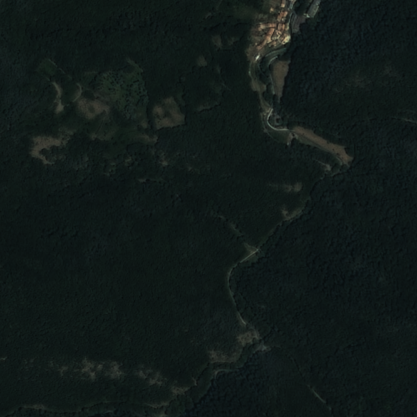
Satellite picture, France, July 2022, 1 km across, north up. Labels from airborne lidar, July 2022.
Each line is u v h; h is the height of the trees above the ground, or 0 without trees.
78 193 26
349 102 17
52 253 26
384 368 18
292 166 17
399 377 16
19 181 27
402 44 12
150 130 12
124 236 23
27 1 23
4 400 22
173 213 25
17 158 30
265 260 25
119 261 20
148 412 25
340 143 16
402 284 21
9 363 17
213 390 20
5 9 16
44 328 23
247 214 23
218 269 20
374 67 17
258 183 12
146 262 27
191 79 20
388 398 20
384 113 7
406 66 16
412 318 14
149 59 23
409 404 20
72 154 13
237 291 14
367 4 19
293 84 22
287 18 9
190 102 17
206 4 24
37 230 25
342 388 15
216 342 13
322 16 10
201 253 18
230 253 27
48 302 24
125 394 31
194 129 19
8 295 25
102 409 25
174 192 33
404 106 22
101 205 25
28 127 10
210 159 18
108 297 19
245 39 17
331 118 20
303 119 21
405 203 15
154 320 16
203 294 17
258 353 15
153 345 22
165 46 18
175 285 18
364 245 14
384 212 17
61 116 7
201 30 23
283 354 14
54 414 23
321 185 30
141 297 20
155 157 7
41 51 22
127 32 30
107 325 17
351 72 10
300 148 25
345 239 15
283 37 0
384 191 15
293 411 8
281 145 15
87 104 0
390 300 16
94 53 23
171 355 21
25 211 24
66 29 13
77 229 25
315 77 19
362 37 14
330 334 21
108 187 29
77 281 15
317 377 21
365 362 14
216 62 22
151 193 22
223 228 22
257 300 14
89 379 6
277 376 9
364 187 23
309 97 23
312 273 23
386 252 15
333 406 27
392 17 25
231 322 21
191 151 15
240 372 11
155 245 19
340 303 14
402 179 21
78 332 22
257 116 8
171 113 0
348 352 19
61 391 18
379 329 12
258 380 14
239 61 24
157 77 23
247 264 16
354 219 18
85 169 14
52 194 31
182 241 23
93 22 26
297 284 17
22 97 22
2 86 18
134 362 15
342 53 10
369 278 13
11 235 28
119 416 15
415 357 15
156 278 24
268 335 15
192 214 27
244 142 21
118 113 14
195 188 17
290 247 24
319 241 25
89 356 15
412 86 15
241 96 22
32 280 19
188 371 30
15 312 24
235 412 23
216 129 20
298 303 22
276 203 13
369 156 19
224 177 7
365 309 11
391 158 18
